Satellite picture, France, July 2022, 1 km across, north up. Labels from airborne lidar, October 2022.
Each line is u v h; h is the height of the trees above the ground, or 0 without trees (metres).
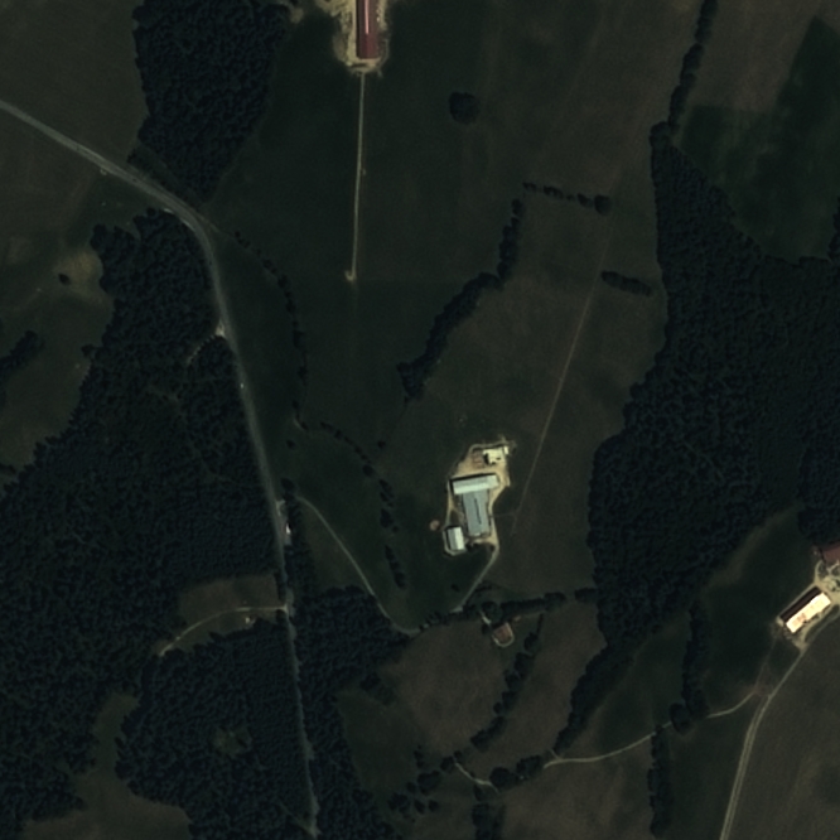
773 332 12
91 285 0
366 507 0
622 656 28
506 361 0
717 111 0
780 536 0
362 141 0
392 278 0
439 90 0
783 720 0
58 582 7
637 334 0
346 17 0
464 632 0
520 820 0
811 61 0
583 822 0
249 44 25
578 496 0
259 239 0
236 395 15
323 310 0
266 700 20
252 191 0
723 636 0
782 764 0
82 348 0
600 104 0
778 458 15
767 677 0
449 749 0
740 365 10
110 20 0
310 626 11
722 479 33
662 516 13
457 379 0
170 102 20
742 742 0
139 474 17
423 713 0
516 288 0
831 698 0
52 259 0
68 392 0
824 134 0
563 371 0
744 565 0
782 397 17
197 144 19
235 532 23
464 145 0
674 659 0
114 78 0
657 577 7
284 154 0
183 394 12
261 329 0
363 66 0
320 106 0
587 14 0
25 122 0
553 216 0
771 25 0
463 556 0
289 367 0
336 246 0
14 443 0
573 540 0
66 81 0
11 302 0
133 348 17
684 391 9
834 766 0
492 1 0
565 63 0
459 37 0
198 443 9
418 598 0
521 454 0
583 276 0
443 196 0
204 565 22
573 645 0
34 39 0
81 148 0
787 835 0
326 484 0
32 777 11
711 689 0
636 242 0
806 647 0
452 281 0
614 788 0
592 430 0
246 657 20
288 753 23
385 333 0
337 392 0
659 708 0
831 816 0
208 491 13
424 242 0
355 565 0
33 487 24
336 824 30
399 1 0
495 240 0
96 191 0
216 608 0
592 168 0
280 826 8
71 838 0
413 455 0
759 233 0
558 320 0
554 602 19
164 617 31
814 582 0
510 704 18
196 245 11
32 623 31
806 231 0
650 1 0
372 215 0
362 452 8
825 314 11
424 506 0
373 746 0
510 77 0
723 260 17
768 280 16
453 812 0
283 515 0
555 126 0
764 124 0
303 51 0
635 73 0
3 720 16
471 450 0
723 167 0
